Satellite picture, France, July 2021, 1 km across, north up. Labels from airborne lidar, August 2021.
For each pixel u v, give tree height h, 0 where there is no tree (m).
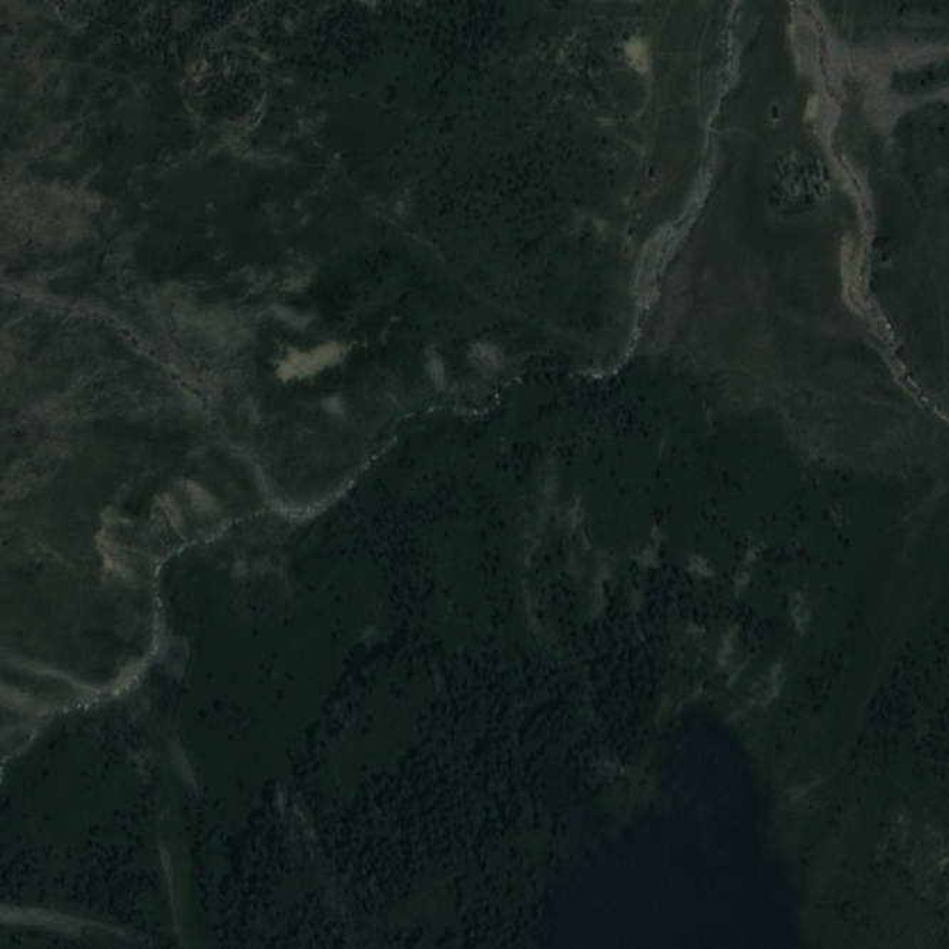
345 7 12
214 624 0
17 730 0
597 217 0
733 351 0
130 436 0
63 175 0
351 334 6
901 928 0
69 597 0
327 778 0
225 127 0
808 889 0
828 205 0
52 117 0
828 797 0
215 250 0
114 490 0
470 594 0
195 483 0
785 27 0
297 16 8
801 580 0
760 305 0
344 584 0
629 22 0
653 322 0
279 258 0
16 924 0
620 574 0
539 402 0
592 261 0
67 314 0
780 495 0
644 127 0
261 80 11
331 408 0
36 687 0
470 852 6
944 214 0
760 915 0
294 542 0
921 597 0
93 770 0
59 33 0
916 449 0
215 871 0
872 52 0
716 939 0
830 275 0
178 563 0
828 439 0
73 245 0
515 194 8
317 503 0
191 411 0
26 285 0
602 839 0
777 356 0
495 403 10
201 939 0
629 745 10
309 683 0
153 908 0
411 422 0
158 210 0
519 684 7
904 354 10
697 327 0
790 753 0
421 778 11
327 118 0
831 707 0
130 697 0
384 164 0
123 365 0
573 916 0
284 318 7
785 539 0
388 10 12
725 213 0
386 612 0
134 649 0
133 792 0
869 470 0
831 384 0
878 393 0
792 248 0
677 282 0
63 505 0
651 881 0
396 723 0
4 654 0
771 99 0
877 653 0
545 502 0
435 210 0
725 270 0
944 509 0
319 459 0
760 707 0
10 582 0
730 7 0
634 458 0
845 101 0
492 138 0
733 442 0
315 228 0
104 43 0
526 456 9
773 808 0
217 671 0
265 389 0
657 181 0
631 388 0
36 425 0
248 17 8
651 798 0
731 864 0
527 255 8
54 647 0
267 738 0
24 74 0
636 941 0
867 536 0
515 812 9
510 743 9
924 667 0
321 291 8
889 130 0
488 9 12
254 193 0
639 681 10
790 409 0
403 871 8
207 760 0
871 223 0
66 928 0
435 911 0
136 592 0
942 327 0
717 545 0
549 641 0
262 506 0
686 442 0
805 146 0
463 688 9
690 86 0
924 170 0
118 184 0
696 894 0
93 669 0
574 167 0
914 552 0
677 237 0
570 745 7
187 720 0
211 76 6
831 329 0
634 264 0
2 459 0
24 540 0
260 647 0
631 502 0
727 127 0
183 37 10
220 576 0
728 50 0
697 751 8
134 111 0
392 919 0
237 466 0
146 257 0
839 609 0
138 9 10
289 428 0
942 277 0
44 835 0
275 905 6
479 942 6
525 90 0
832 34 0
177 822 0
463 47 8
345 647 0
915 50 0
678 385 0
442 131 10
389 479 0
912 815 0
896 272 0
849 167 0
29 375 0
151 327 0
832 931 0
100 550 0
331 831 10
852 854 0
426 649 13
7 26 9
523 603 0
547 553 0
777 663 0
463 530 0
